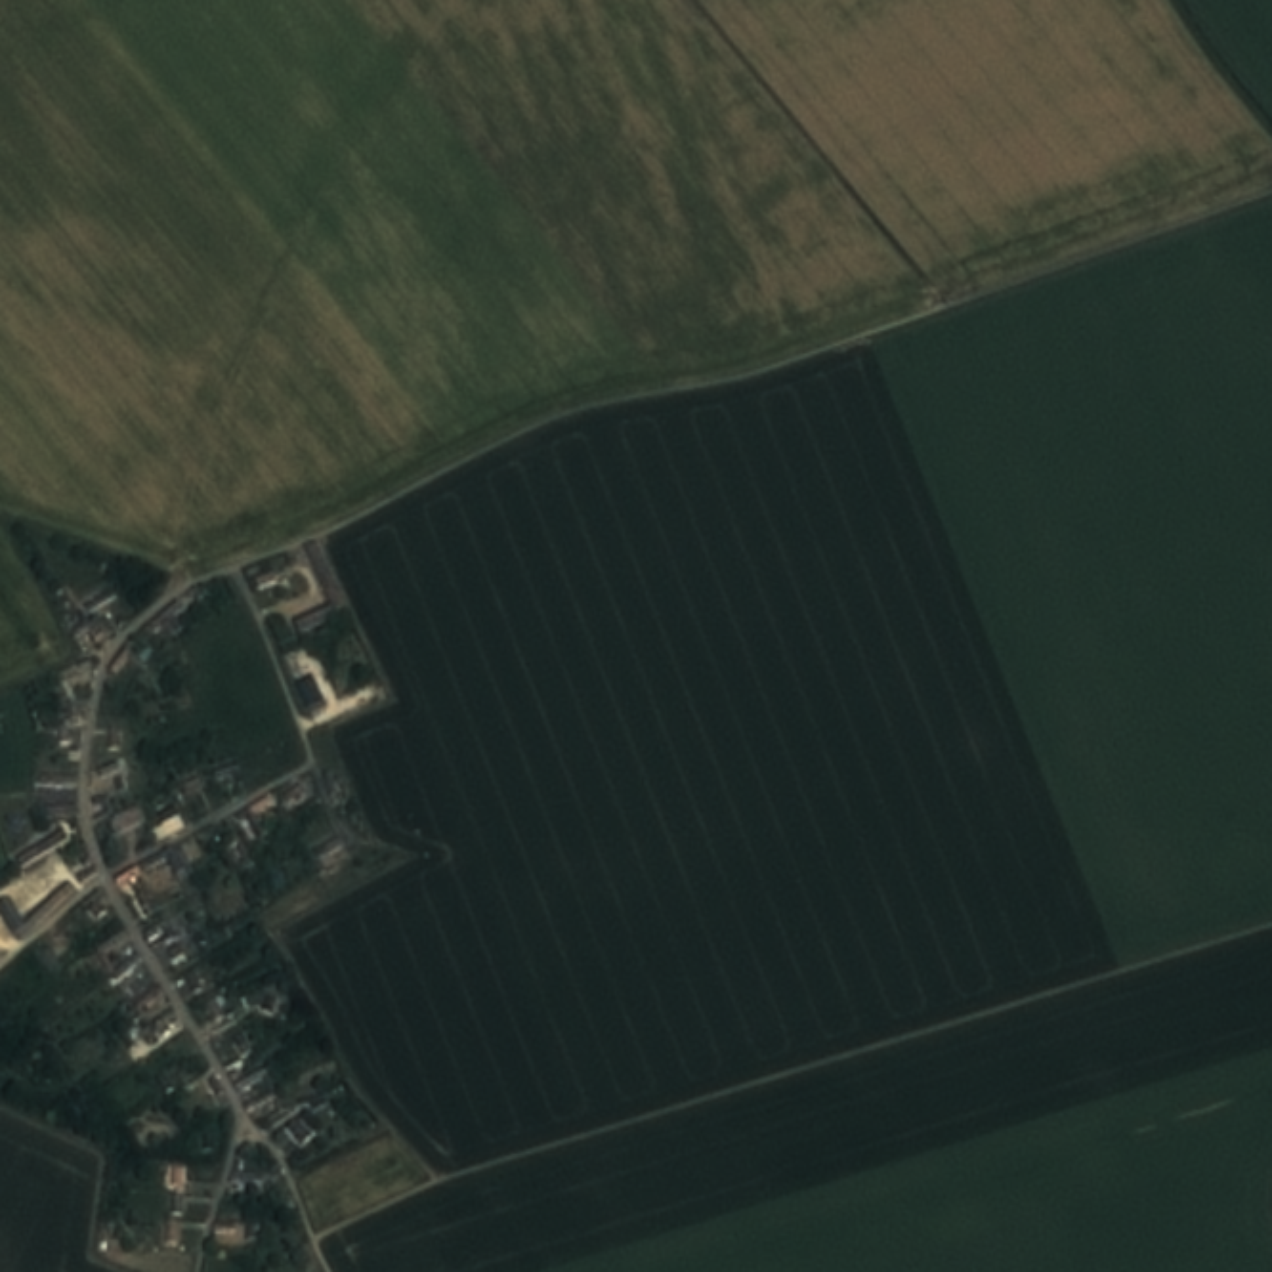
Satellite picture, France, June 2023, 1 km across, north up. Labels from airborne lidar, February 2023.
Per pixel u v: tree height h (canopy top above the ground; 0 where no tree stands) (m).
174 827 0
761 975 0
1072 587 0
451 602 0
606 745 0
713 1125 0
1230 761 0
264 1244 12
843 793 0
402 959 0
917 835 0
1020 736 0
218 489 0
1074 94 0
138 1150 9
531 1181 0
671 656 0
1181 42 0
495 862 0
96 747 0
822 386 0
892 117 0
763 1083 0
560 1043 0
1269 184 0
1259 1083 0
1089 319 0
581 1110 0
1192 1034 0
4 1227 0
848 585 0
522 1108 0
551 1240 0
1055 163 0
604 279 0
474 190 0
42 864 0
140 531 0
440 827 0
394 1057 0
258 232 0
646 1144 0
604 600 0
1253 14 0
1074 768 0
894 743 0
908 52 0
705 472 0
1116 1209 0
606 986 0
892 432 0
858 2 0
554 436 0
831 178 0
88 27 0
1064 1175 0
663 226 0
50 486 0
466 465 0
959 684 0
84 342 0
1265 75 0
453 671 0
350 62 0
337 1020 0
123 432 0
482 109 0
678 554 0
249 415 0
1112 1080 0
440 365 0
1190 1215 0
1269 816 0
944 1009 0
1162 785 0
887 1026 0
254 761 0
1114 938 0
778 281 0
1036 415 0
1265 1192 0
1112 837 0
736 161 0
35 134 0
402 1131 0
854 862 0
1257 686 0
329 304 0
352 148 0
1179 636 0
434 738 0
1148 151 0
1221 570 0
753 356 0
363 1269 0
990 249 0
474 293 0
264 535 0
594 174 0
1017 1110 0
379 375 0
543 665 0
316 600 0
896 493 0
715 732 0
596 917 0
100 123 0
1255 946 0
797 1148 0
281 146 0
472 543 0
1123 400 0
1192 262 0
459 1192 0
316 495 0
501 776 0
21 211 0
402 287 0
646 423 0
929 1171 0
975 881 0
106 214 0
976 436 0
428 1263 0
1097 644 0
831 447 0
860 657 0
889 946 0
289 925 0
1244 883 0
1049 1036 0
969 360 0
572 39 0
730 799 0
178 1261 0
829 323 0
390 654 0
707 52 0
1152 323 0
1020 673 0
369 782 0
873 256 0
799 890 0
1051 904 0
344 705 0
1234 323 0
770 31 0
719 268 0
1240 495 0
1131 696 0
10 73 0
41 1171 0
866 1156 0
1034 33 0
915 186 0
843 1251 0
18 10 0
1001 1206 0
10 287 0
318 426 0
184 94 0
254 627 0
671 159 0
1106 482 0
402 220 0
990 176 0
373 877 0
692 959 0
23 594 0
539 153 0
